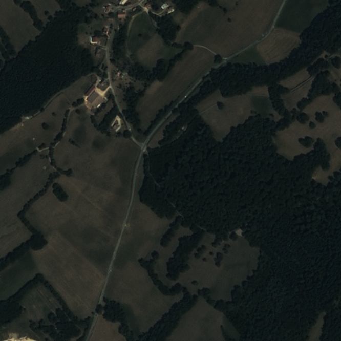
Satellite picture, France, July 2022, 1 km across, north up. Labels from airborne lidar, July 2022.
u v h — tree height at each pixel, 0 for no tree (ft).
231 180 93
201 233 73
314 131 0
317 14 0
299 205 93
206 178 87
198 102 54
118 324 0
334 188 120
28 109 50
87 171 0
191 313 0
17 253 72
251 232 74
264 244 62
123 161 0
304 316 72
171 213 67
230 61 0
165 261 0
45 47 35
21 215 52
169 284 0
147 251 0
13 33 0
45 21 0
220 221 79
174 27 61
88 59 25
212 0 59
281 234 80
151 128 35
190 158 90
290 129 0
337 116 0
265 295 52
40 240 62
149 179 69
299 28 0
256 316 73
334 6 57
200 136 94
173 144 24
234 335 0
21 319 0
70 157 0
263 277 26
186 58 0
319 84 75
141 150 0
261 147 27
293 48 0
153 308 0
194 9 0
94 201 0
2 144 0
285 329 69
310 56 66
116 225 0
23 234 0
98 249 0
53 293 36
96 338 0
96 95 0
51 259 0
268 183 25
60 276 0
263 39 0
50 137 0
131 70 23
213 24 0
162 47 0
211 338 0
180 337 0
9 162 0
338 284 73
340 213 19
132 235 0
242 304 65
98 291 0
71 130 0
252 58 0
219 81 50
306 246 71
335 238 68
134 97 62
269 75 89
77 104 39
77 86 0
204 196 91
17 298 56
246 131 41
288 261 74
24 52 53
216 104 0
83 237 0
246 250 0
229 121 0
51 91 49
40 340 0
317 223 87
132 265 0
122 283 0
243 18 0
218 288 0
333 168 0
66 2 27
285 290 33
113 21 0
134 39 0
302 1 0
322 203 38
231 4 0
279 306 70
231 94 61
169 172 89
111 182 0
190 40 0
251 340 70
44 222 0
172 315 66
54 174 29
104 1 0
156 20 43
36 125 0
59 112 0
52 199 0
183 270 73
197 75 0
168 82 0
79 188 0
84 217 0
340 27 87
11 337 0
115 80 36
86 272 0
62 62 60
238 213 67
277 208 77
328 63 54
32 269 0
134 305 0
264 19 0
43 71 52
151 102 0
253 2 0
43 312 0
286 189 87
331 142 0
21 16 0
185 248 74
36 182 0
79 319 38
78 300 0
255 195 86
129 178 0
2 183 42
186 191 96
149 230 0
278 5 0
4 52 46
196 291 0
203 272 0
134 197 0
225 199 38
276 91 67
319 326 0
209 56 0
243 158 87
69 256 0
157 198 78
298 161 79
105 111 0
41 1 0
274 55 0
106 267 0
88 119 0
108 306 54
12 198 0
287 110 71
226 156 83
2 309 49
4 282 0
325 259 78
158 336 83
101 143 0
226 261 0
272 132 70
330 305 83
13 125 43
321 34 86
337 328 72
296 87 0
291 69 89
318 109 0
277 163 115
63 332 43
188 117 61
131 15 0
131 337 46
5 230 0
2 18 0
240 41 0
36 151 34
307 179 84
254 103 0
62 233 0
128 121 44
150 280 0
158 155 26
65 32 28
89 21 73
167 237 71
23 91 58
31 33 0
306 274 60
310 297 84
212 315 0
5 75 58
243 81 76
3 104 48
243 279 0
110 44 0
